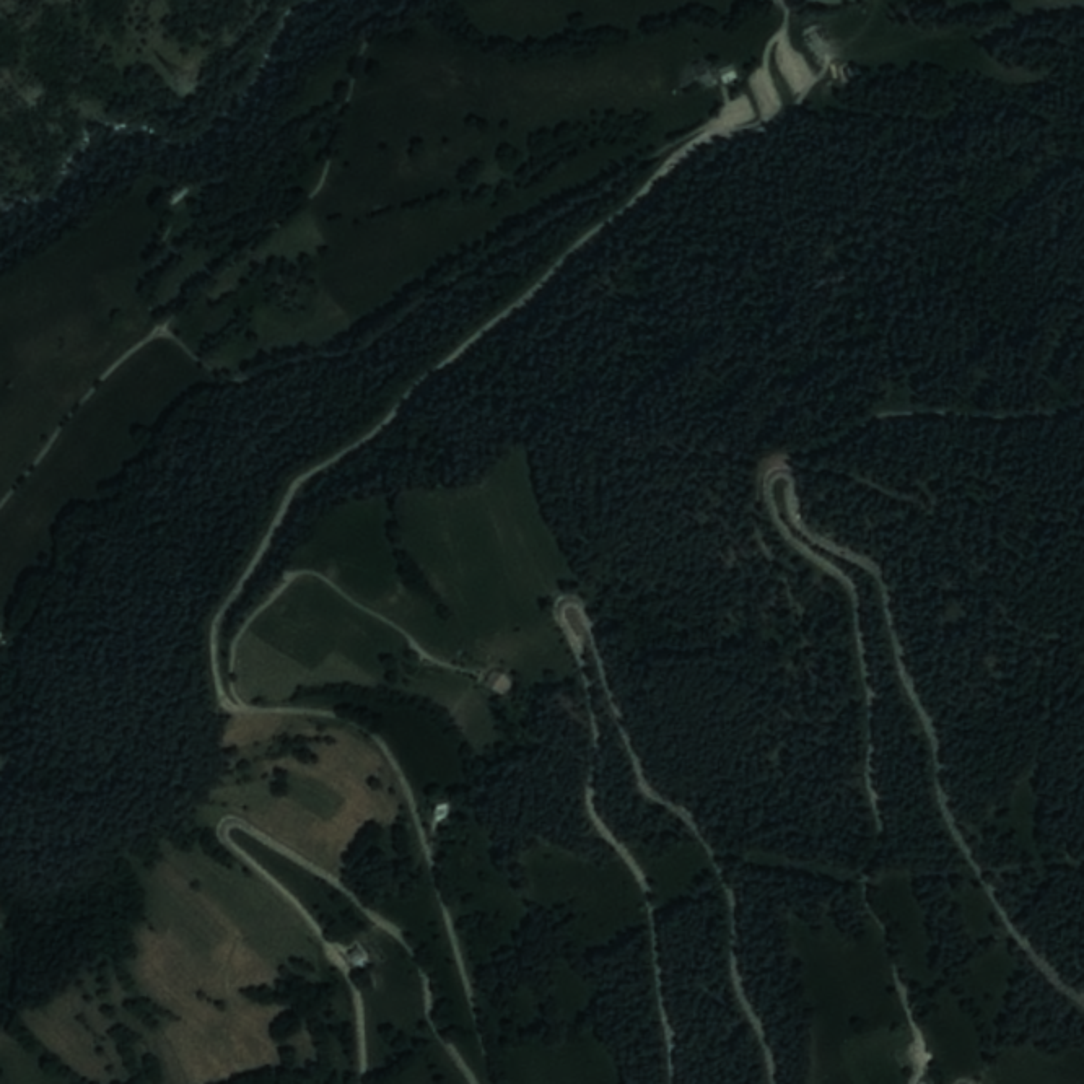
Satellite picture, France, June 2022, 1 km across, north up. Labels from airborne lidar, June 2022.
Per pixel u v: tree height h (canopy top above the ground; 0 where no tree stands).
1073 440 17
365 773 0
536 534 0
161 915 0
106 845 15
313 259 11
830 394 16
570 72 0
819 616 14
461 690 0
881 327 17
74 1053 0
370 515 0
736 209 13
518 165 9
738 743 21
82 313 0
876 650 22
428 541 0
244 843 0
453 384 10
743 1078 23
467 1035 12
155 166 18
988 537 26
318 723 12
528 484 0
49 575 23
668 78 0
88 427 0
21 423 0
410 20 27
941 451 15
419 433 14
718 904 22
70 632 25
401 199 0
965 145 26
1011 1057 0
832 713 25
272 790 10
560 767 17
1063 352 7
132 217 0
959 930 22
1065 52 15
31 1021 0
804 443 24
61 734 25
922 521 29
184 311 25
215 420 12
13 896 20
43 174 16
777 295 14
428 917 0
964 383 18
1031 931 18
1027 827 0
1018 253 16
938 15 24
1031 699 22
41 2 10
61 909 18
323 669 0
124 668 21
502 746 10
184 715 21
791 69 0
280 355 14
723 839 21
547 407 12
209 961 0
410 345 20
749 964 17
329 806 0
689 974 20
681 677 19
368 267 0
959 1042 0
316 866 0
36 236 20
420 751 0
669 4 0
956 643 21
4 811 27
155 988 0
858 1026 10
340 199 0
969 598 21
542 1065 0
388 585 0
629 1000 24
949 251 14
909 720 16
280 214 15
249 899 0
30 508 0
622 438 18
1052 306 23
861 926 17
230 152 22
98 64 20
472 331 7
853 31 0
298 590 0
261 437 21
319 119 17
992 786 19
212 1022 0
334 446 12
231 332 9
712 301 19
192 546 15
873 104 12
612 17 0
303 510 15
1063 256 23
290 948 0
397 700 14
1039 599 15
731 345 20
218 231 28
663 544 24
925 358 15
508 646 0
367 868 21
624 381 25
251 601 9
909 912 0
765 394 23
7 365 0
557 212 23
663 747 21
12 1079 0
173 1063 0
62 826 19
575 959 28
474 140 0
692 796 13
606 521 26
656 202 12
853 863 16
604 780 17
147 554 18
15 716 21
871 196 24
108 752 20
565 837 21
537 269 13
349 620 0
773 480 0
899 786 20
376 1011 0
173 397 0
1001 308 15
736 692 18
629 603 8
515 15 0
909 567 23
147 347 0
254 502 21
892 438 9
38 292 0
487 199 15
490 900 0
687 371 23
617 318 15
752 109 0
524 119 0
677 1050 17
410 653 9
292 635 0
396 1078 15
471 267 19
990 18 24
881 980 0
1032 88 7
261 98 21
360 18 24
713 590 23
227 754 12
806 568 10
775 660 28
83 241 0
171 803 18
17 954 13
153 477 22
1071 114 15
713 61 12
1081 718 22
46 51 7
